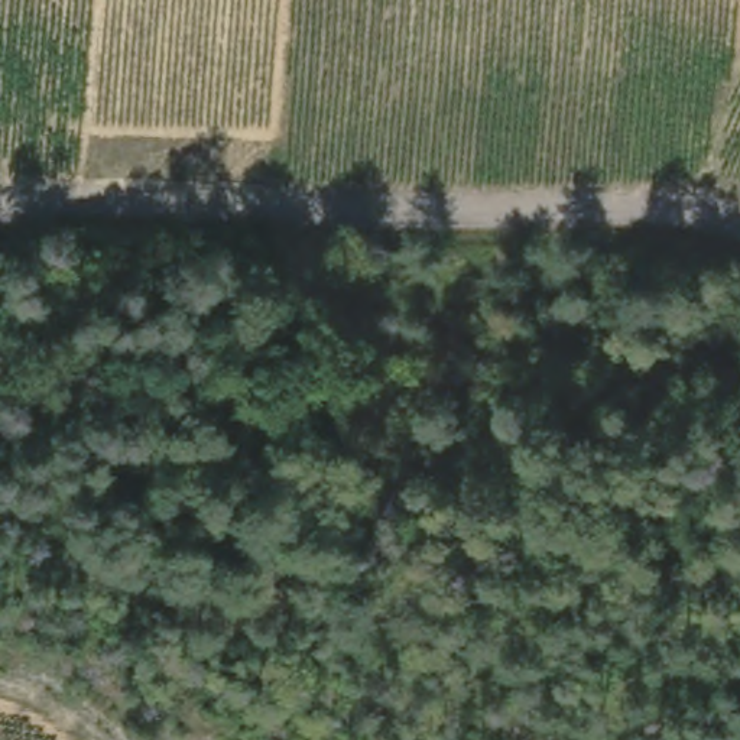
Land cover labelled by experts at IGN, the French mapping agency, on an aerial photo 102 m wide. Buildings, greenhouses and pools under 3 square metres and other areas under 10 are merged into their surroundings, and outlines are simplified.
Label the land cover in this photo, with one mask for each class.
<instances>
[{"label":"coniferous trees","instance_id":"1","mask_svg":"<svg viewBox=\"0 0 740 740\"><path fill-rule=\"evenodd\" d=\"M12 176H32L35 182H40L43 176L38 147L20 145L12 159ZM549 217L543 208L532 217L509 214L497 228L451 225L448 231H434L422 223H408L396 225L393 237H382L376 234L373 223L361 214L341 217L335 228L321 220L315 231H292L280 214H260L254 205H249L243 211H234L228 220H211L208 225L133 223L119 231H110V225L93 223L87 217H64L0 240V676H9L17 668L52 674L64 682V688L58 691L55 685H46L43 694L49 700L66 708H75L81 700H90L95 708L107 711L139 737H156L162 726H173L176 734H214L217 740H740V416L737 422L728 416L705 419L691 434L665 439L659 434V416L653 405L671 393L674 379L682 376V364L662 361L665 350L645 347L639 341V330L665 327L671 335L697 338L720 315H740V249L720 251L708 243L682 237H639L621 240L616 246L595 243L593 251L584 249L564 254L561 243H549L546 237ZM318 309L327 315V324L347 344L373 338L370 382H376L379 393L356 405L353 410L335 416L324 405H315L312 410H306V416L292 419L283 434H266L257 425L240 422L231 399H202L197 393V384H185V376H162L147 367L107 364V370L93 382L87 370L101 347L119 353L162 350L171 356L182 353L188 361H217L225 344L240 341L243 347L254 350L289 318H306V312Z\"/></svg>","mask_w":740,"mask_h":740},{"label":"vineyard","instance_id":"2","mask_svg":"<svg viewBox=\"0 0 740 740\"><path fill-rule=\"evenodd\" d=\"M95 136H150L179 139L185 145L199 136L272 142L269 159L280 162L295 179L321 188H327L335 176L353 171L358 162H373L387 191H393L396 185H410L416 191L428 173H436L445 185V194L451 188L480 185H552L564 197L572 194L575 171L584 168H595V179L604 188H610L613 182L650 185L656 171H662L674 159H682L688 173H711L714 182L726 191L731 188V182H737L740 199V0H0V185H12V159L20 145L38 147L43 176H58L69 168H75L78 176H87V156Z\"/></svg>","mask_w":740,"mask_h":740},{"label":"impervious surface","instance_id":"3","mask_svg":"<svg viewBox=\"0 0 740 740\"><path fill-rule=\"evenodd\" d=\"M130 182L121 179L116 168L98 179L87 176H78L75 168H69L58 176H43L40 182H35L32 176H12V185H0V240L64 217H87L93 223L110 225V231H119L133 223L208 225L211 220H228L234 211H243L249 205H254L260 214H280L292 231H315L321 220L335 228L341 217L361 214L373 223L376 234L382 237H393L396 225L408 223H422L434 231H448L451 225L497 228L509 214L532 217L543 208L549 217L546 237L549 243H561L564 254L584 249L593 251L595 243L616 246L621 240L639 237H682L708 243L720 251L740 249V199L737 182H731V188L726 191L714 182L711 173H688L682 159H674L662 171H656L650 185L613 182L610 188H604L595 179V168H584L575 171L572 194L564 197L552 185H480L451 188L445 194V185L436 173H428L416 191L410 185H396L393 191H387L373 162H358L353 171L335 176L327 188H321L295 179L280 162L269 159L254 162L243 176H231V182L225 185V199H214L205 185L194 182L197 199L179 205L173 191L159 194L156 199H145L136 188H127Z\"/></svg>","mask_w":740,"mask_h":740},{"label":"deciduous trees","instance_id":"4","mask_svg":"<svg viewBox=\"0 0 740 740\"><path fill-rule=\"evenodd\" d=\"M107 364L147 367L162 376H185V384H197V393L202 399H231L240 422L257 425L266 434H283L292 419L306 416V410H312L315 405H324L335 416L353 410L356 405L379 393L376 382H370L373 338L347 344L327 324V315L318 309L306 312V318H289L254 350L243 347L240 341L225 344L217 361H188L182 353L171 356L162 350L119 353L101 347L87 370L93 382L107 370ZM639 341L645 347L665 350L662 361L682 364V376L674 379L671 393L653 405L659 416V434L665 439L691 434L705 419L728 416L737 422L740 416V315H720L697 338L671 335L665 327L639 330Z\"/></svg>","mask_w":740,"mask_h":740},{"label":"herbaceous vegetation","instance_id":"5","mask_svg":"<svg viewBox=\"0 0 740 740\"><path fill-rule=\"evenodd\" d=\"M272 142L199 136L185 145L179 139L150 136H95L87 156V176L98 179L116 168L121 179L130 182L127 188H136L145 199H156L159 194L173 191L179 205L197 199L194 182L205 185L214 199H225V185L231 182V176H243L254 162L269 159ZM46 685H55L58 691L64 688V682L52 674L17 668L9 676H0V740H217L214 734H176L173 726H162L156 737H139L107 711L95 708L90 700H81L75 708H66L49 700L43 694Z\"/></svg>","mask_w":740,"mask_h":740}]
</instances>
